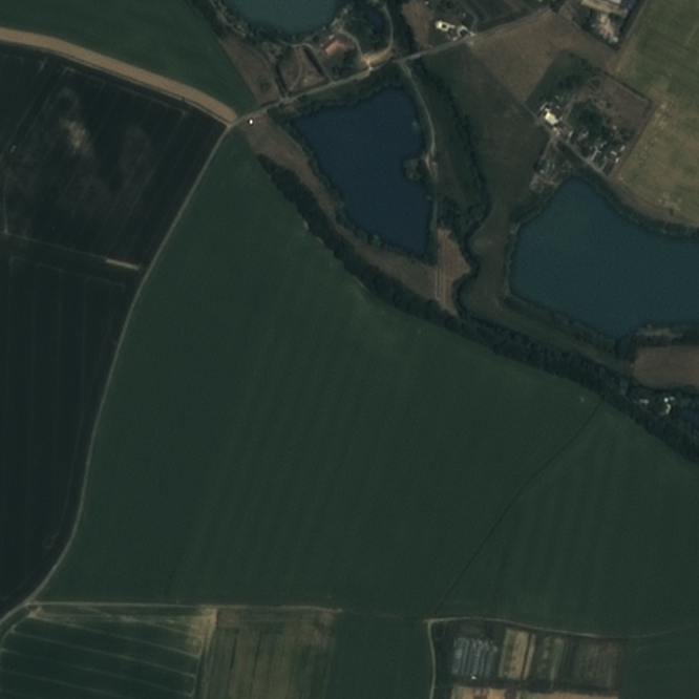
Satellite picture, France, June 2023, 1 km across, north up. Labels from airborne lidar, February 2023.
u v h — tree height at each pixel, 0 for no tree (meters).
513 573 0
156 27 0
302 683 0
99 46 0
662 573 0
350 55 8
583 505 0
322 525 0
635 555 0
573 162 0
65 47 0
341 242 15
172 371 0
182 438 0
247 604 0
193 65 0
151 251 0
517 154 0
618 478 0
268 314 0
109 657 0
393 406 0
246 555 0
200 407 0
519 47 0
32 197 0
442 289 0
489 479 0
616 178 0
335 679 0
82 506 0
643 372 0
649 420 19
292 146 0
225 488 0
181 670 0
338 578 0
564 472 0
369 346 0
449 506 0
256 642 0
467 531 0
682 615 0
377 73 7
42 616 0
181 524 0
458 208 12
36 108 0
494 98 0
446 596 0
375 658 0
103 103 0
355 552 0
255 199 0
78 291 0
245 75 0
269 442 0
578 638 0
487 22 0
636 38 0
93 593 0
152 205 0
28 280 0
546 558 0
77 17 0
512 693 0
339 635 0
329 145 0
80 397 0
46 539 0
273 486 0
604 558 0
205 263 0
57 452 0
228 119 0
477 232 0
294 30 0
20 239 0
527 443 0
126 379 0
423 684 0
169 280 0
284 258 0
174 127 0
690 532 0
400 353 0
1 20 0
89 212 0
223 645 0
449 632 0
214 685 0
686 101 0
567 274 0
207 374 0
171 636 0
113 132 0
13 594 0
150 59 0
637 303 0
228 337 0
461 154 0
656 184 0
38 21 0
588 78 0
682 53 0
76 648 0
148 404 0
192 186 0
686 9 0
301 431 0
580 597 0
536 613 0
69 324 0
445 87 9
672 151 0
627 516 0
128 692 0
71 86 0
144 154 0
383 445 0
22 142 0
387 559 0
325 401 0
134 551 0
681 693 0
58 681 0
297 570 0
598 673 0
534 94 0
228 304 0
